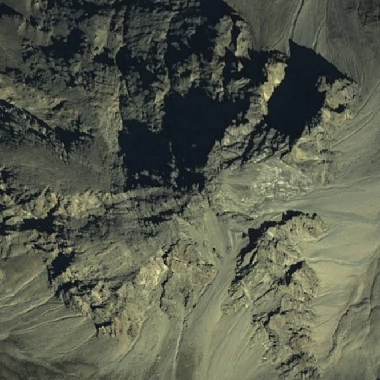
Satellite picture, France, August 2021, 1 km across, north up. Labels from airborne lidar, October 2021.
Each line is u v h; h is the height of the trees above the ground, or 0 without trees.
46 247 0
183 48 0
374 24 0
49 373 0
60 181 0
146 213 0
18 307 0
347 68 0
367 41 0
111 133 0
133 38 0
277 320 0
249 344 0
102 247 0
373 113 0
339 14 0
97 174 0
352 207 0
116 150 0
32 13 0
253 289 0
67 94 0
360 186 0
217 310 0
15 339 0
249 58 0
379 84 0
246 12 0
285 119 0
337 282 0
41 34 0
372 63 0
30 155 0
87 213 0
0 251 0
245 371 0
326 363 0
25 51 0
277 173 0
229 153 0
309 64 0
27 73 0
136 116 0
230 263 0
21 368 0
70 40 0
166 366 0
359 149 0
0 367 0
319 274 0
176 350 0
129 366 0
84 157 0
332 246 0
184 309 0
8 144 0
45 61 0
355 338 0
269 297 0
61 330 0
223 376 0
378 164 0
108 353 0
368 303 0
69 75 0
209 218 0
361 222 0
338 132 0
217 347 0
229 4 0
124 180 0
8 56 0
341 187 0
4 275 0
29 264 0
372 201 0
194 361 0
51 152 0
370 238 0
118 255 0
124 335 0
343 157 0
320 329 0
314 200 0
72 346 0
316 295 0
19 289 0
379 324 0
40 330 0
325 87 0
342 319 0
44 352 0
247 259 0
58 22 0
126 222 0
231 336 0
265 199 0
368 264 0
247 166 0
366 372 0
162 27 0
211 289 0
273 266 8
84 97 0
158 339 0
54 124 0
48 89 0
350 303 0
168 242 0
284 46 0
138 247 0
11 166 0
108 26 0
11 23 0
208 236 0
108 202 0
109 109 0
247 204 0
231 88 0
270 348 0
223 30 0
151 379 0
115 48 0
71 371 0
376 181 0
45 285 0
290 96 0
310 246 0
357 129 0
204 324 0
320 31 0
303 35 0
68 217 0
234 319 0
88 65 0
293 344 0
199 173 0
